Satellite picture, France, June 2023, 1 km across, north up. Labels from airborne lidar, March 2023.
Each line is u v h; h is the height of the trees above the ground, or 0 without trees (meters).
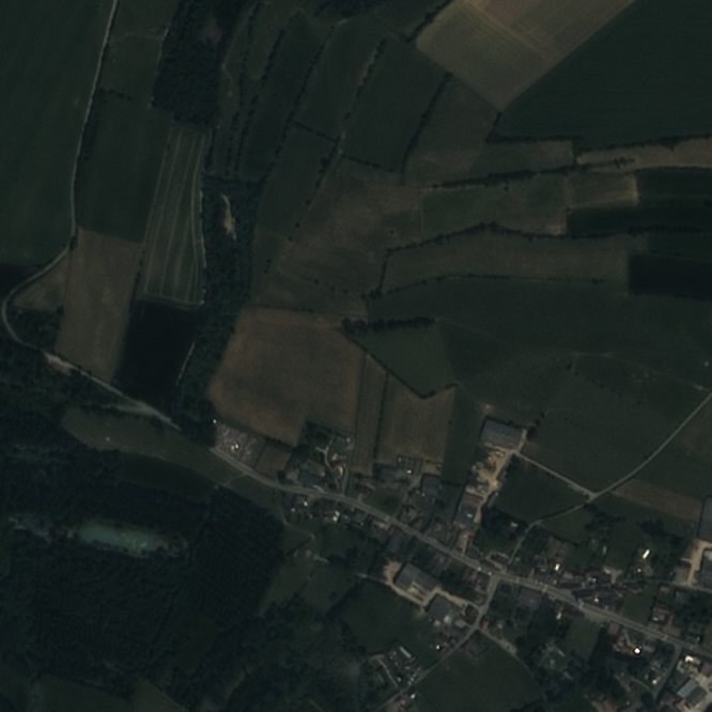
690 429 0
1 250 0
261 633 33
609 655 8
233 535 15
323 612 0
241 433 0
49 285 0
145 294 0
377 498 0
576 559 0
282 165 0
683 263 0
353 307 0
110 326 0
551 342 0
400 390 0
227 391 0
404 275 0
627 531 0
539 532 12
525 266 0
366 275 0
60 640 20
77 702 0
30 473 29
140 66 0
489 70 0
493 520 22
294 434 0
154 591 10
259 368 0
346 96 0
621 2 0
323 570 0
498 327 0
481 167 0
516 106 0
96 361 0
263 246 0
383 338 0
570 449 0
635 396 0
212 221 7
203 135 0
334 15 0
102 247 0
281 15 0
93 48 0
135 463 0
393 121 0
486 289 0
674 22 0
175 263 0
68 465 6
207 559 18
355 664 0
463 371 0
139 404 0
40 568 17
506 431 0
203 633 0
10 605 17
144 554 9
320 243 0
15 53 0
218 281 8
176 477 0
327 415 0
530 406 0
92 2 0
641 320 0
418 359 0
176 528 11
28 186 0
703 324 0
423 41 0
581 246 0
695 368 0
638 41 0
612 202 0
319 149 0
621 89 0
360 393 0
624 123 0
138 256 0
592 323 0
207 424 18
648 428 0
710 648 0
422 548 0
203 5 17
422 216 0
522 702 0
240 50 0
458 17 0
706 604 0
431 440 0
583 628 0
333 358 0
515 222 0
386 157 0
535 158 0
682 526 0
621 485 0
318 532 0
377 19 0
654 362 0
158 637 12
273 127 0
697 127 0
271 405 0
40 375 20
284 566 0
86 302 0
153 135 0
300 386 0
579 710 0
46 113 0
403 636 0
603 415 0
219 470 0
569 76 0
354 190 0
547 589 0
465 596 0
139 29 0
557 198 0
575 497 0
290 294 0
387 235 0
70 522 22
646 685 0
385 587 15
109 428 0
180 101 14
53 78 0
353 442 0
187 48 20
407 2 0
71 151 0
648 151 0
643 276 0
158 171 0
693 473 0
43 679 9
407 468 0
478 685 0
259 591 19
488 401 0
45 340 8
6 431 21
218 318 16
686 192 0
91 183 0
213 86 14
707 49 0
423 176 0
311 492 0
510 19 0
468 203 0
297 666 11
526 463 0
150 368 0
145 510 8
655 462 0
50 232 0
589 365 0
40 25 0
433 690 0
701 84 0
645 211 0
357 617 0
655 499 0
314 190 0
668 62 0
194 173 0
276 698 37
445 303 0
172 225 0
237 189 13
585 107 0
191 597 15
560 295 0
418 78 0
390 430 0
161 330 0
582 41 0
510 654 0
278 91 0
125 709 0
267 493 0
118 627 6
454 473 0
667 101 0
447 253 0
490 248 0
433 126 0
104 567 16
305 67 0
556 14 0
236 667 33
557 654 0
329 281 0
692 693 0
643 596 0
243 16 5
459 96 0
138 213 0
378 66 0
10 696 0
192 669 0
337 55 0
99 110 8
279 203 0
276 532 10
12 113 0
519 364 0
